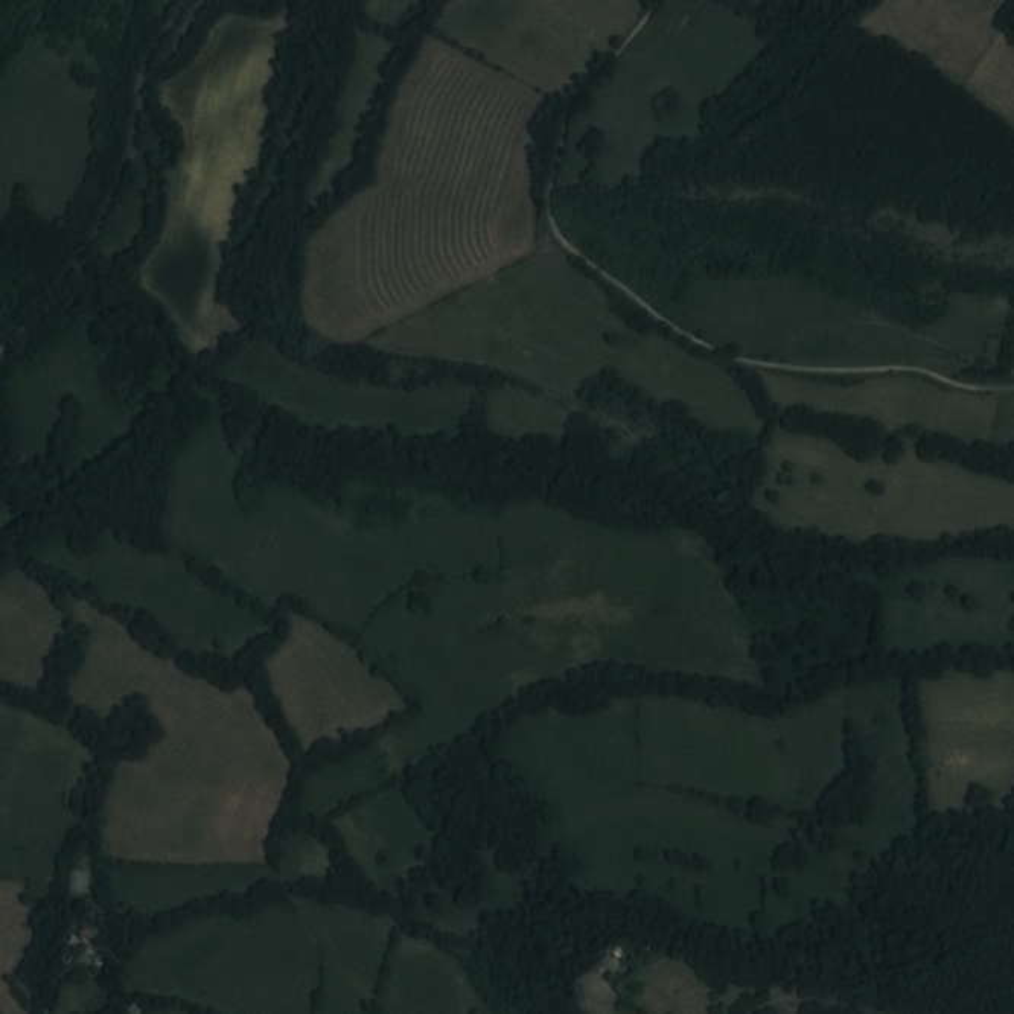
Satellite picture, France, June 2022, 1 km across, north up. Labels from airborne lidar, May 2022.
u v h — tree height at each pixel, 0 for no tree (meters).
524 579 0
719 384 0
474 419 17
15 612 0
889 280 14
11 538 21
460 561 0
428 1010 0
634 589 0
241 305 17
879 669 23
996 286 14
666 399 0
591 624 0
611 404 5
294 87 24
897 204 7
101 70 8
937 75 15
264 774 0
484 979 7
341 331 0
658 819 0
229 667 11
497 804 23
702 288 0
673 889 8
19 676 0
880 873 22
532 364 0
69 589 17
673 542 0
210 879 0
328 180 0
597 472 25
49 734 0
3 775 0
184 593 0
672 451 9
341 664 0
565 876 10
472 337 0
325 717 0
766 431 10
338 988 0
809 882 0
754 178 9
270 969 0
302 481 18
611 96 0
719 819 0
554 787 0
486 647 0
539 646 0
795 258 17
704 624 0
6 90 0
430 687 0
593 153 16
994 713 0
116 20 11
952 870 22
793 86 10
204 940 0
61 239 19
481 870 17
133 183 23
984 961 12
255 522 0
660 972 0
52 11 13
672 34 0
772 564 20
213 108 0
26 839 0
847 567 19
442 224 0
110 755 16
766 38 15
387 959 8
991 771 0
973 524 0
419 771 10
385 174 0
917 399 0
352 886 17
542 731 0
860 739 9
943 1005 13
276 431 22
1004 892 22
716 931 15
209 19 19
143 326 36
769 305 0
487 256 0
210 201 0
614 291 12
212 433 0
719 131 10
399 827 0
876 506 0
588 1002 0
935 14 0
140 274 14
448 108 0
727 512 18
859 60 15
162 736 17
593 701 21
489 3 0
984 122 16
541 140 17
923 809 17
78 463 0
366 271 0
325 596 0
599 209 7
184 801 0
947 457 17
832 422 14
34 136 0
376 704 0
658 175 14
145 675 0
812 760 0
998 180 18
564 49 0
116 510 15
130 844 0
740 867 11
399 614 0
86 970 6
